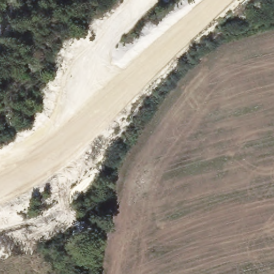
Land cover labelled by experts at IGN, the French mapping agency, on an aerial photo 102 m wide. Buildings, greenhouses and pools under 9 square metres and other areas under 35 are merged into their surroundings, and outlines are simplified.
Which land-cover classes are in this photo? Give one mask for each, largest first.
<instances>
[{"label":"agricultural land","instance_id":"1","mask_svg":"<svg viewBox=\"0 0 274 274\"><path fill-rule=\"evenodd\" d=\"M135 146L121 159L122 165L118 169V180L113 191L117 195L119 212L112 218L116 232L107 233L103 274H274V30L258 32L256 35L244 37L241 41L219 45L207 57H201L199 64L189 70L178 81L177 87L165 96L151 121L144 125L143 130L137 132Z\"/></svg>","mask_w":274,"mask_h":274},{"label":"pervious surface","instance_id":"2","mask_svg":"<svg viewBox=\"0 0 274 274\"><path fill-rule=\"evenodd\" d=\"M248 0H180L174 4L173 11L158 25L148 22L142 28L139 39L124 46L120 41L121 36L134 28L137 21L157 0H123L116 9L105 13L103 18L91 22L85 39H70L63 42L57 54V75L43 89V111L36 113L31 130L17 133L14 141L0 148V231L4 230L9 237L18 239L21 250L33 253L37 240L43 238V235L49 240L58 232H64L73 226L76 212L72 209L71 203L81 192H87L96 174L103 168L107 148L113 139L122 136L127 125L133 122V117L142 106L144 97L152 94L162 79L176 68L178 59L192 42L198 43L202 36L214 31L226 18H246L245 3ZM46 183L50 184L51 188V195L45 200L48 210L29 219L18 215L20 211L28 212L34 189L44 192Z\"/></svg>","mask_w":274,"mask_h":274},{"label":"coniferous trees","instance_id":"3","mask_svg":"<svg viewBox=\"0 0 274 274\"><path fill-rule=\"evenodd\" d=\"M123 0H0V148L14 141L17 133L31 130L36 113L43 111V89L57 75V54L63 42L70 39H85L91 22L103 18L105 13L116 9Z\"/></svg>","mask_w":274,"mask_h":274},{"label":"brushwood","instance_id":"4","mask_svg":"<svg viewBox=\"0 0 274 274\"><path fill-rule=\"evenodd\" d=\"M180 0H157L137 21L134 28L121 36L120 41L124 46L139 39L142 28L148 22L158 25L173 11L174 4ZM246 18H226L214 31L202 36L198 43L192 42L178 59L176 68L162 79L152 94L144 97L142 106L133 117V122L127 125L122 136L113 139L107 148L103 168L106 166L118 169L122 165L121 159L135 146L137 132L143 130L144 125L151 121L165 96L177 87L178 81L189 70L199 64L201 57H207L219 45L241 41L244 37L256 35L258 32L274 30V0H248L245 3ZM51 195V188L50 184L46 183L44 192L34 189L28 212L20 211L18 215L29 219L48 210L45 200Z\"/></svg>","mask_w":274,"mask_h":274},{"label":"deciduous trees","instance_id":"5","mask_svg":"<svg viewBox=\"0 0 274 274\"><path fill-rule=\"evenodd\" d=\"M118 180V169L106 166L103 168L96 174L87 192H81L71 203L72 209L76 212L73 226L64 232H58L49 240L43 235V238L37 240L33 253L42 254L45 261L50 263L51 269L47 274H103L107 233L116 232L112 218L119 212L117 195L113 191Z\"/></svg>","mask_w":274,"mask_h":274},{"label":"herbaceous vegetation","instance_id":"6","mask_svg":"<svg viewBox=\"0 0 274 274\"><path fill-rule=\"evenodd\" d=\"M51 269L50 263L45 261L42 254L33 253L21 250L18 239L9 237L4 230L0 231V274H47Z\"/></svg>","mask_w":274,"mask_h":274}]
</instances>
